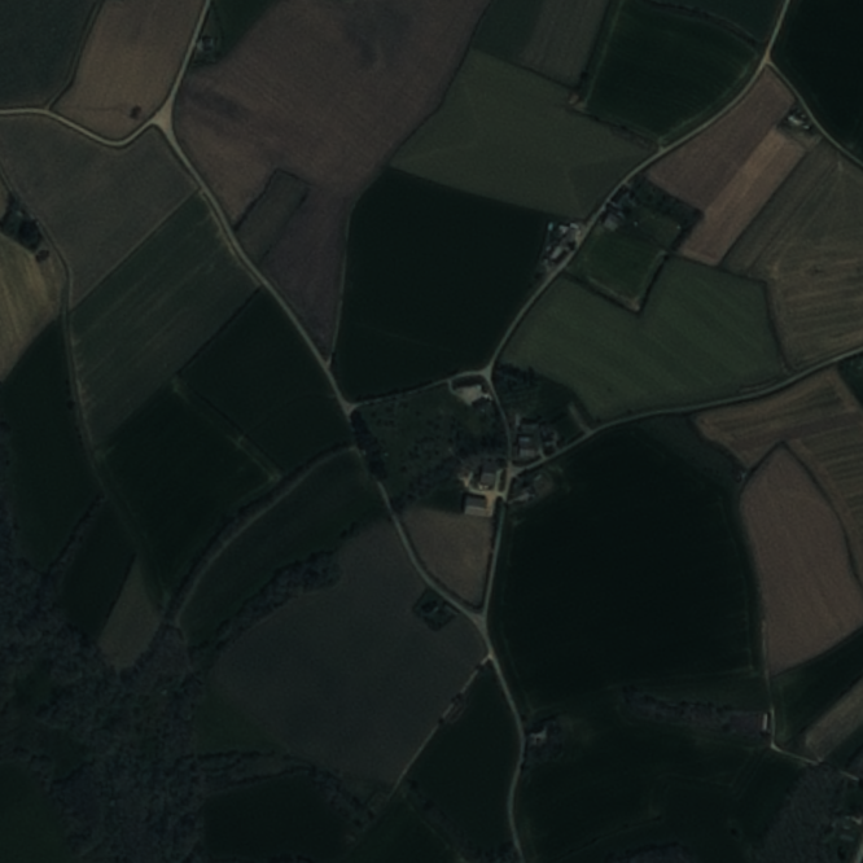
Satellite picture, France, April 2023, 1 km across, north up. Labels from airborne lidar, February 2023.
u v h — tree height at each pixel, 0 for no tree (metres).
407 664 0
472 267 0
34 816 0
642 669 0
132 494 0
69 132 0
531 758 12
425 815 11
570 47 0
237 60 0
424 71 0
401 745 0
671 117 0
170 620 11
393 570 0
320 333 0
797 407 0
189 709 6
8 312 0
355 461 0
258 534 0
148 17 0
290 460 0
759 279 0
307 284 0
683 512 0
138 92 0
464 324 0
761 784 0
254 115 0
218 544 10
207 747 0
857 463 0
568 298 0
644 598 0
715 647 0
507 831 0
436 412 0
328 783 6
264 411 0
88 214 0
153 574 0
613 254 0
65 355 0
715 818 0
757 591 0
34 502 0
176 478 0
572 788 0
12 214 11
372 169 0
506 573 0
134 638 0
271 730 0
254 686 0
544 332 0
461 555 0
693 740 0
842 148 0
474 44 0
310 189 0
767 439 0
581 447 0
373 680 0
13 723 0
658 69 0
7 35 0
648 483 0
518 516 0
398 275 0
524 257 0
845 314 0
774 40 0
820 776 12
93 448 0
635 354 0
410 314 0
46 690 0
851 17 0
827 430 0
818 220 0
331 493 0
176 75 0
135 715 10
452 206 0
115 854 9
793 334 0
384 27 0
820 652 0
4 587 20
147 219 0
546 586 0
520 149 0
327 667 0
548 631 0
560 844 0
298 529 0
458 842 13
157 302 0
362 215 0
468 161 0
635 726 0
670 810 0
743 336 0
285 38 0
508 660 0
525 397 25
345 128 0
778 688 0
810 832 17
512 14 0
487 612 0
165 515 0
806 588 0
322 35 0
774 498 0
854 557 0
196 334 0
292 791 0
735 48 0
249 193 0
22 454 0
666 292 0
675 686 0
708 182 0
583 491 0
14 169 0
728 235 0
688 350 0
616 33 0
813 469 0
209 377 0
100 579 0
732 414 0
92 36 0
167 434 0
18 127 0
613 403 0
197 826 11
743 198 0
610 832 0
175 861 10
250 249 0
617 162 0
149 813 12
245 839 0
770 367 0
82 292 0
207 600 0
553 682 0
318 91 0
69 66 0
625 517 0
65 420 0
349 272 0
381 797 0
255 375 0
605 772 0
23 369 0
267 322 0
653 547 0
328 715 0
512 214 0
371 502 0
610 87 0
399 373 0
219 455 0
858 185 0
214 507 0
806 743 0
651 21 0
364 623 0
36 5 0
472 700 0
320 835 0
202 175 0
